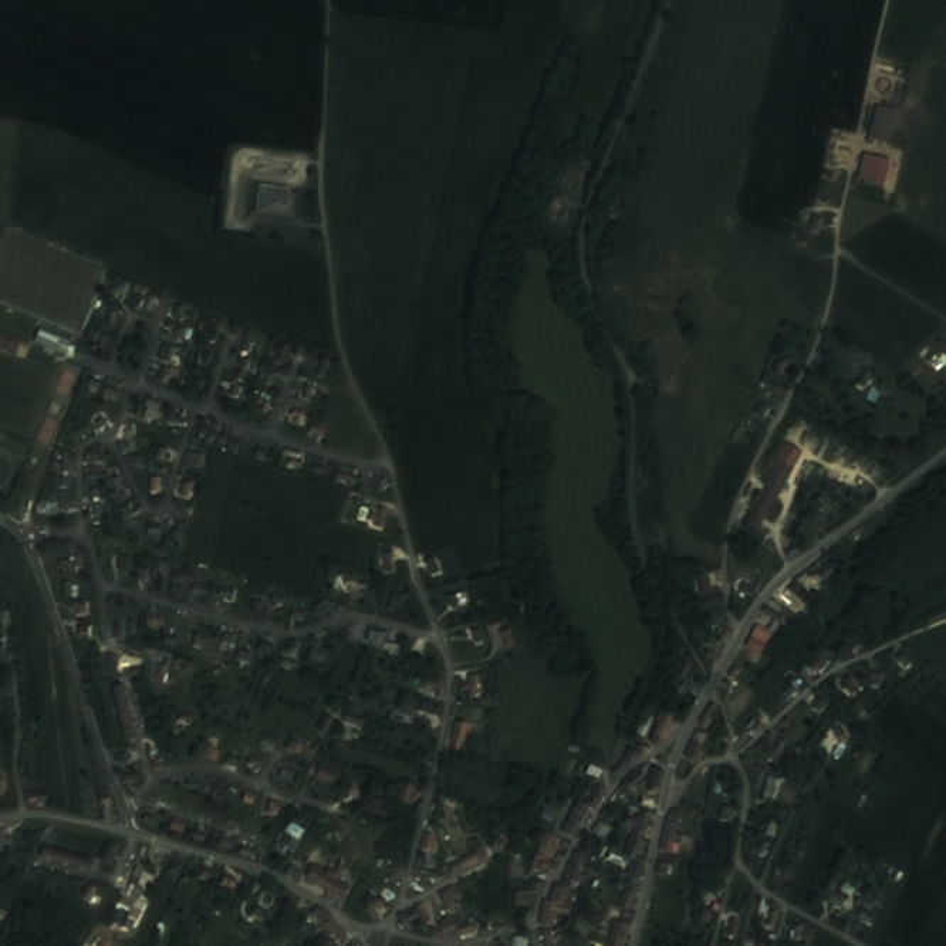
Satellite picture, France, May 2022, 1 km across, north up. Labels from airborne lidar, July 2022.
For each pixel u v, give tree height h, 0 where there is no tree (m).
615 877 6
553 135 24
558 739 0
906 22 0
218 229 10
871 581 0
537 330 0
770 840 6
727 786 15
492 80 0
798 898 0
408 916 0
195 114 0
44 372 0
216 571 0
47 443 0
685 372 0
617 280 0
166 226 0
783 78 0
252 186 0
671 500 0
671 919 0
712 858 25
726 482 0
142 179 0
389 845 6
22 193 0
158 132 0
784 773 15
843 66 0
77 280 0
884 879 6
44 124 0
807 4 0
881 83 0
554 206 0
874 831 0
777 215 0
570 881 0
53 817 0
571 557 0
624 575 0
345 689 6
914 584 0
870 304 0
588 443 0
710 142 0
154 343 0
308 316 0
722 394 0
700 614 15
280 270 0
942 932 0
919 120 0
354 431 0
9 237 0
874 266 0
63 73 0
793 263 0
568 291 21
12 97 0
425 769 14
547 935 0
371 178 0
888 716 0
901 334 0
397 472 0
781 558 0
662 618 22
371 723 7
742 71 0
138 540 6
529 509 18
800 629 21
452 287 0
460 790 0
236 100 0
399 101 0
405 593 7
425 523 0
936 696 0
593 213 13
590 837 15
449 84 0
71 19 0
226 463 0
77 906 0
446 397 0
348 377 0
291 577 0
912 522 18
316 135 0
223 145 0
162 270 0
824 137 0
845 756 0
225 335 5
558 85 22
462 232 0
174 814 0
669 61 0
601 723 0
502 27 0
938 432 16
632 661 0
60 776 0
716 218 0
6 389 0
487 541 0
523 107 0
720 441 0
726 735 7
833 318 0
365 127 0
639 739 9
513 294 27
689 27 0
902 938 0
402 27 0
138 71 0
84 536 0
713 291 0
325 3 0
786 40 0
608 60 0
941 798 0
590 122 23
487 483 0
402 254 0
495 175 0
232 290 0
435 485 0
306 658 10
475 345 23
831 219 0
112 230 0
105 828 0
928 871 0
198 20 0
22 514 0
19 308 0
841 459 0
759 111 0
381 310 0
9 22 0
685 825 0
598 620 0
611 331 18
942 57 0
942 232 0
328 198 0
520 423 25
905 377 10
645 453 5
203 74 0
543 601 28
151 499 7
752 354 0
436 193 0
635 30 0
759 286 0
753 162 0
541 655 0
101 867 0
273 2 0
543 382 0
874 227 0
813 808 0
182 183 0
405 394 0
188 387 8
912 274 0
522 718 0
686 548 0
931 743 0
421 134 0
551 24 0
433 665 12
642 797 6
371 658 7
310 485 0
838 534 0
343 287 0
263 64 0
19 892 0
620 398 19
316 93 0
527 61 0
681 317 9
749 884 0
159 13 0
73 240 0
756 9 0
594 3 0
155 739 16
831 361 17
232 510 0
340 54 0
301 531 0
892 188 0
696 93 0
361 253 0
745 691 0
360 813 12
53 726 0
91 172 0
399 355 0
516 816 18
